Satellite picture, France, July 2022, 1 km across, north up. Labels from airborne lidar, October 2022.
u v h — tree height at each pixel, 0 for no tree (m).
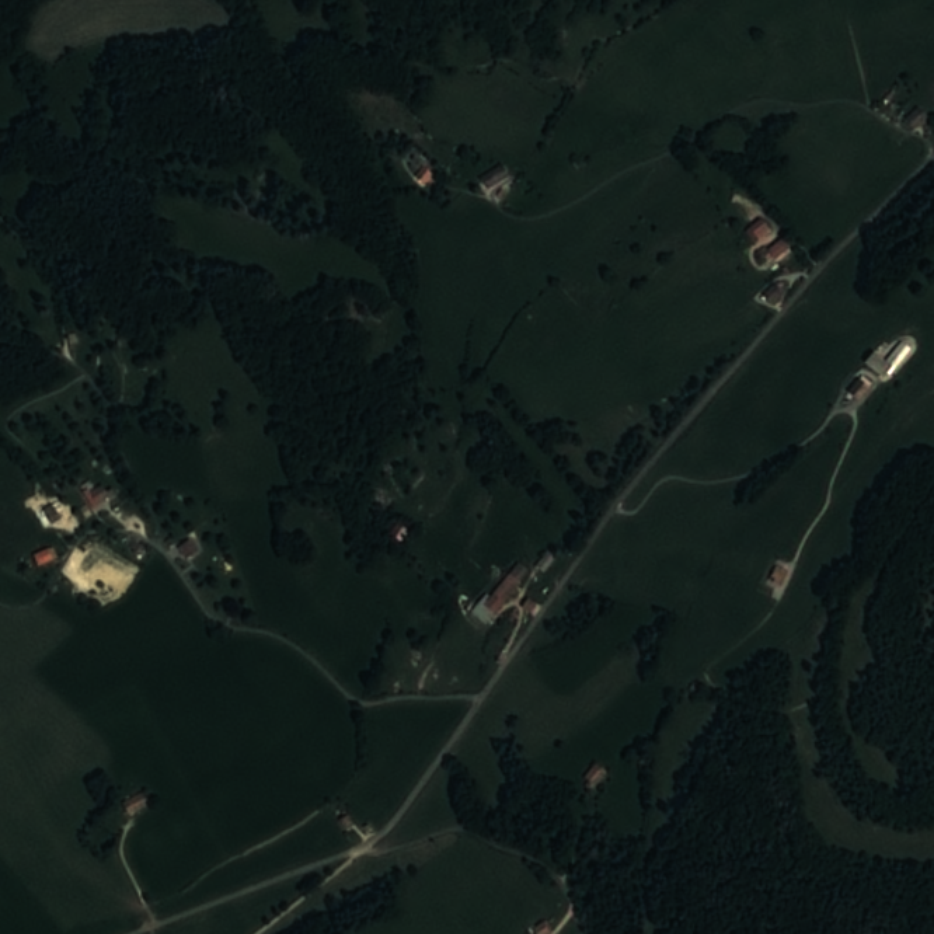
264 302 23
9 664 0
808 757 0
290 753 0
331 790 0
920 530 21
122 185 24
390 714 0
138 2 0
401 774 0
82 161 25
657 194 0
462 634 0
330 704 0
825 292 0
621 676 0
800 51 0
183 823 0
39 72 8
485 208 0
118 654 0
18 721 0
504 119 0
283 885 0
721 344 0
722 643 0
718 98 0
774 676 18
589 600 20
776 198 0
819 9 0
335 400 19
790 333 0
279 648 0
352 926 23
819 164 0
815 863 22
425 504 0
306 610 0
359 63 29
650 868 17
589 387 0
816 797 0
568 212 0
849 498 0
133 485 21
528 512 0
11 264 0
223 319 21
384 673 13
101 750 0
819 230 0
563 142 0
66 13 0
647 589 0
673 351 0
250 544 0
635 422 0
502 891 0
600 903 18
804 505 0
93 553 0
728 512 0
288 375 11
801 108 0
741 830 26
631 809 0
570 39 0
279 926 0
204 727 0
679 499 0
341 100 20
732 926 28
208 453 0
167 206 0
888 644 21
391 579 0
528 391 0
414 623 0
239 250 0
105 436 13
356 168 27
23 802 0
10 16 25
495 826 26
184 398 0
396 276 24
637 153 0
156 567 0
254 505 0
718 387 0
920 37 0
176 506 0
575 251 0
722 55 0
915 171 0
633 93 0
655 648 20
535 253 0
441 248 0
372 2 20
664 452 0
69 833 0
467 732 0
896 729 18
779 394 0
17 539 0
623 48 0
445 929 0
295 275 0
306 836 0
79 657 0
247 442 0
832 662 17
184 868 0
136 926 0
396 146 12
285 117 21
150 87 28
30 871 0
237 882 0
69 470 15
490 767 0
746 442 0
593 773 0
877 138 0
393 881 8
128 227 27
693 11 0
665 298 0
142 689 0
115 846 16
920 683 21
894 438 0
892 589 20
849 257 0
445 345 0
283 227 31
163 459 0
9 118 0
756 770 22
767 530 0
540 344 0
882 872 20
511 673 0
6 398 15
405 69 26
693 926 23
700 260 0
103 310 22
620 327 0
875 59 0
